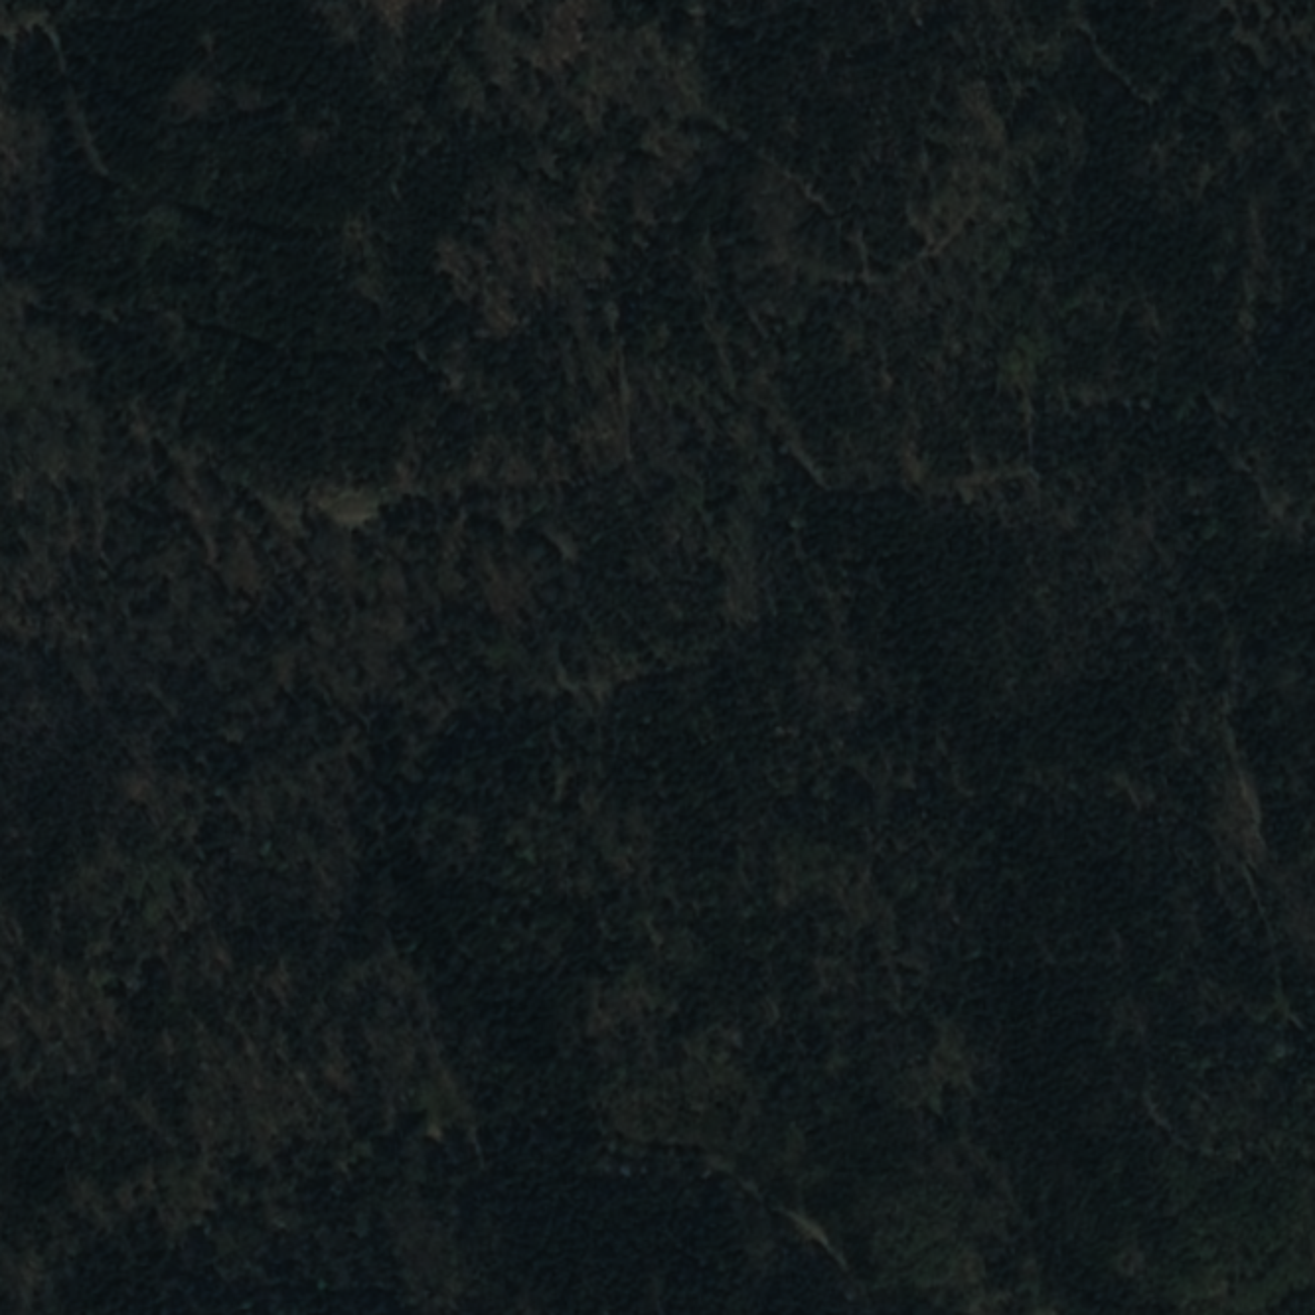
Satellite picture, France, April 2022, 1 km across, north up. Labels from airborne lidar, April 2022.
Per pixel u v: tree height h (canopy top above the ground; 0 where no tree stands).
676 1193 26
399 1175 22
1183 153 25
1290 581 19
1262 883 25
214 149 22
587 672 19
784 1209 16
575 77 26
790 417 27
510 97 19
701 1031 23
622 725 22
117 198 21
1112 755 25
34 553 23
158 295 22
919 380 24
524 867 22
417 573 35
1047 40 27
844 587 30
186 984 28
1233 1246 17
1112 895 21
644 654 21
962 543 28
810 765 29
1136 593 26
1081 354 23
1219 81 28
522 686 24
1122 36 20
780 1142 17
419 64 25
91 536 32
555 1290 24
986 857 23
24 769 31
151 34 21
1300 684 21
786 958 28
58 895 23
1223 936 25
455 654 34
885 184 21
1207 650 26
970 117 25
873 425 22
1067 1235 18
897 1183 8
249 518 27
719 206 26
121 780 22
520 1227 28
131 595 37
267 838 33
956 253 13
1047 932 18
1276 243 25
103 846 25
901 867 29
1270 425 15
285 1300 24
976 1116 19
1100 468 35
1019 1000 25
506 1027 25
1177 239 29
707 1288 27
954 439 23
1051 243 32
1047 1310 15
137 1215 14
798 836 26
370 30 27
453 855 20
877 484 18
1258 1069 21
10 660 32
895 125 22
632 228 32
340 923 30
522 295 28
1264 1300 11
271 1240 24
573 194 24
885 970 28
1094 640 16
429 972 25
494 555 8
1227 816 20
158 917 26
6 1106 21
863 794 31
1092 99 26
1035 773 18
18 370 28
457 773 31
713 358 30
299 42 24
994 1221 9
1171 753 23
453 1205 16
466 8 22
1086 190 29
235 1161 28
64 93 24
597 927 15
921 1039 27
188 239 21
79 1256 18
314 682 10
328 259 26
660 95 28
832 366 22
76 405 24
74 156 29
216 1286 29
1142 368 24
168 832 26
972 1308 14
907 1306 19
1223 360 30
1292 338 27
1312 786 21
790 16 29
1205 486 19
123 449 24
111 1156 25
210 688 32
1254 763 17
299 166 23
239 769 31
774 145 24
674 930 24
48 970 29
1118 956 20
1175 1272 14
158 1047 33
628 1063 19
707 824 29
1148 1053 19
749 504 29
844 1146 17
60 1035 20
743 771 26
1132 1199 15
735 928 29
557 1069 23
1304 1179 19
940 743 24
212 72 15
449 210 26
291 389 26
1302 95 28
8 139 31
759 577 26
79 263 29
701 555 22
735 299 31
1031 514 23
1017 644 20
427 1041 28
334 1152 28
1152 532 25
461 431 24
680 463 25
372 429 32
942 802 27
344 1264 29
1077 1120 20
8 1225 22
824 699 30
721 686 21
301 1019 32
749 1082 16
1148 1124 14
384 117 24
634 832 22
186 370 23
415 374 30
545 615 29
